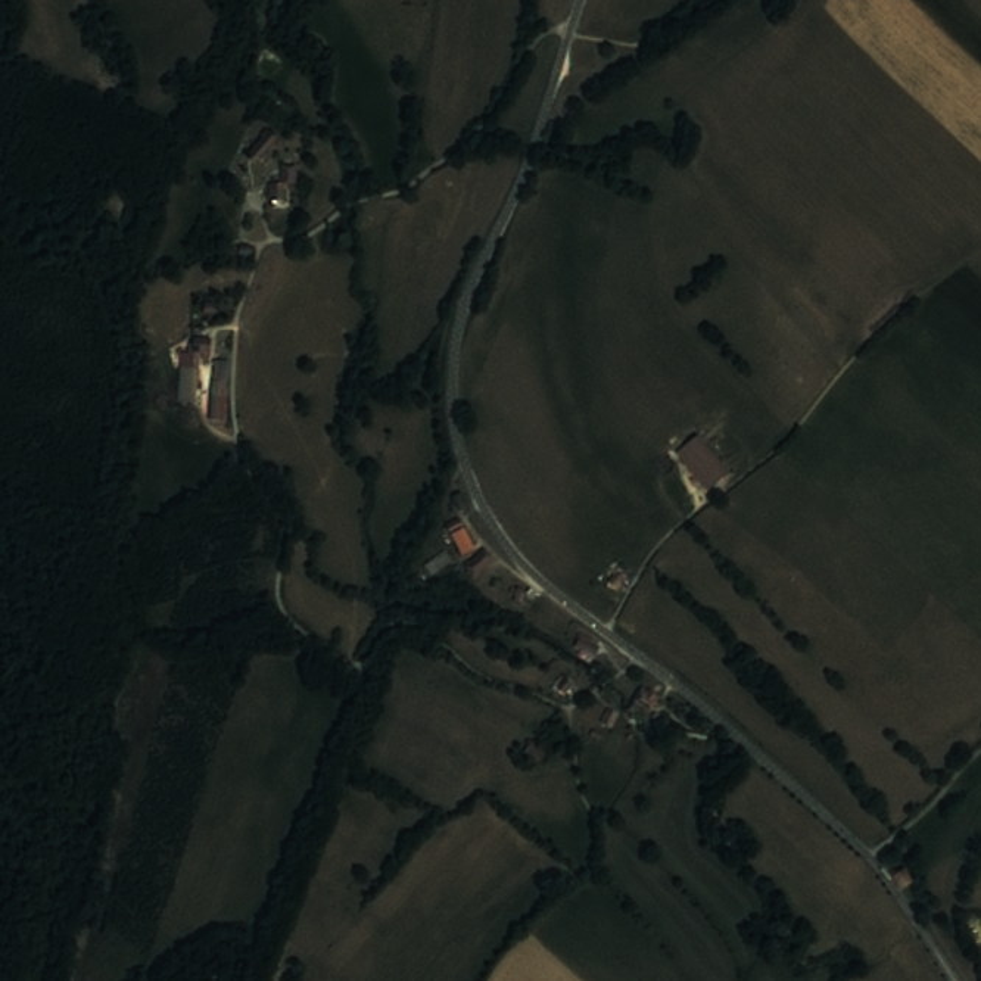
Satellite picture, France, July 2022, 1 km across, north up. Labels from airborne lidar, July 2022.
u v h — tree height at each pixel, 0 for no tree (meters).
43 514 18
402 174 22
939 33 0
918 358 0
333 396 0
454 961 0
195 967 20
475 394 0
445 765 0
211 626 8
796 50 0
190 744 6
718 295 0
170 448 0
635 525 0
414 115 20
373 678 20
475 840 0
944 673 0
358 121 0
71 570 18
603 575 0
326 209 0
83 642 20
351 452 17
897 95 0
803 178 0
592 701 20
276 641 16
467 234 0
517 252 0
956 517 0
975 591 0
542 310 0
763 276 0
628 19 0
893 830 12
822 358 0
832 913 0
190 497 18
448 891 0
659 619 0
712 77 0
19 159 11
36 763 19
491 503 0
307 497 0
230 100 21
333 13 0
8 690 19
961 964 0
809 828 0
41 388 5
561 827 0
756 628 0
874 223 0
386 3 0
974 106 0
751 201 0
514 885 0
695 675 0
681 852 0
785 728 17
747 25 0
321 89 19
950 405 0
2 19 17
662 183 0
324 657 24
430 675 0
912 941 0
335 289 0
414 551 21
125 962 0
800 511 0
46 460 9
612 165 11
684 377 0
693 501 0
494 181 0
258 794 0
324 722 0
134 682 0
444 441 11
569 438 0
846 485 0
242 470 20
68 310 6
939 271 0
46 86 12
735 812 0
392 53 0
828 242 0
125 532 19
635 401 0
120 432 24
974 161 0
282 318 0
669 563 0
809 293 0
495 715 0
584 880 21
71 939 25
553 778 0
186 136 20
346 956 0
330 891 0
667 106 8
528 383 0
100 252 19
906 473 0
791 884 0
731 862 19
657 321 0
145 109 8
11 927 12
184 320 0
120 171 11
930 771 13
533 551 0
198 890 0
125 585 22
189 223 0
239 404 0
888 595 0
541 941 0
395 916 0
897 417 0
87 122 12
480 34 0
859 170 0
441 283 0
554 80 0
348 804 0
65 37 0
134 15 0
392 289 0
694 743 6
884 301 0
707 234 0
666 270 0
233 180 22
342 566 0
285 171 0
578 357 0
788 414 0
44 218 18
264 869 0
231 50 18
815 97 0
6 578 20
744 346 0
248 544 6
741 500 0
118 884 8
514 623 13
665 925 0
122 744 27
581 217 0
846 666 0
